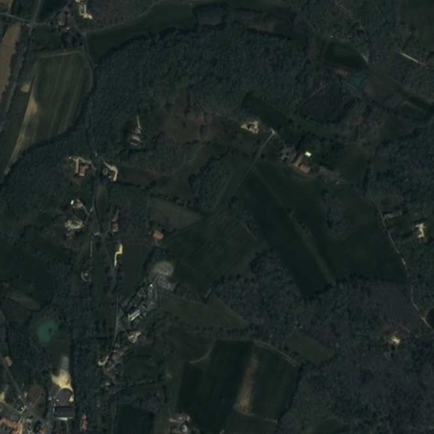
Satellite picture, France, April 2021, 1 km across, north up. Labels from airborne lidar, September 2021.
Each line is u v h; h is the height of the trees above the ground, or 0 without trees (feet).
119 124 54
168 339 0
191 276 0
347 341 58
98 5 49
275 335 52
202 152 0
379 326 88
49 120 0
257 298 45
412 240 65
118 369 24
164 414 61
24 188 50
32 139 0
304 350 0
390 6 51
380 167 0
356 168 0
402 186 79
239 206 55
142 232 64
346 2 57
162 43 74
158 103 72
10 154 0
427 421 58
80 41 24
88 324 56
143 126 0
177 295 33
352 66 0
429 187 51
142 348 0
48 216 0
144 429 0
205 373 0
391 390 65
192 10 0
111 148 63
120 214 36
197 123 0
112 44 0
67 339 0
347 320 63
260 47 70
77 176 25
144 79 62
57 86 0
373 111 67
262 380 0
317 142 44
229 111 56
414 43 51
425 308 49
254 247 0
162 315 44
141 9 67
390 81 0
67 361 0
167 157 71
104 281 0
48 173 54
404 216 27
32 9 69
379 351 58
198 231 0
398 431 83
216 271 0
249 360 0
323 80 66
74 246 73
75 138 89
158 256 47
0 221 65
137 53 57
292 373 0
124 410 0
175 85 82
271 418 0
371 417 78
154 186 51
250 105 0
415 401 55
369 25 65
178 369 0
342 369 61
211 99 72
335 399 82
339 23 63
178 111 0
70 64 0
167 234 26
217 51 73
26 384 34
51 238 0
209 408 0
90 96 49
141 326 49
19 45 41
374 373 59
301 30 45
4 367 44
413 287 40
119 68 72
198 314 0
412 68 32
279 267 52
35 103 0
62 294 37
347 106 29
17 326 55
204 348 0
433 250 69
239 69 76
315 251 0
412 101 0
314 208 0
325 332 59
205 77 64
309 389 66
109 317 0
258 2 0
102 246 58
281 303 51
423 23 0
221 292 60
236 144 0
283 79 75
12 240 39
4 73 0
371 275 0
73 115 0
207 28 0
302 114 27
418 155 63
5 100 42
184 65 107
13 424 0
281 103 57
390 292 54
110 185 48
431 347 45
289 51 65
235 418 0
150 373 0
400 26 58
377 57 50
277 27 0
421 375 83
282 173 0
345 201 0
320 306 62
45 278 0
